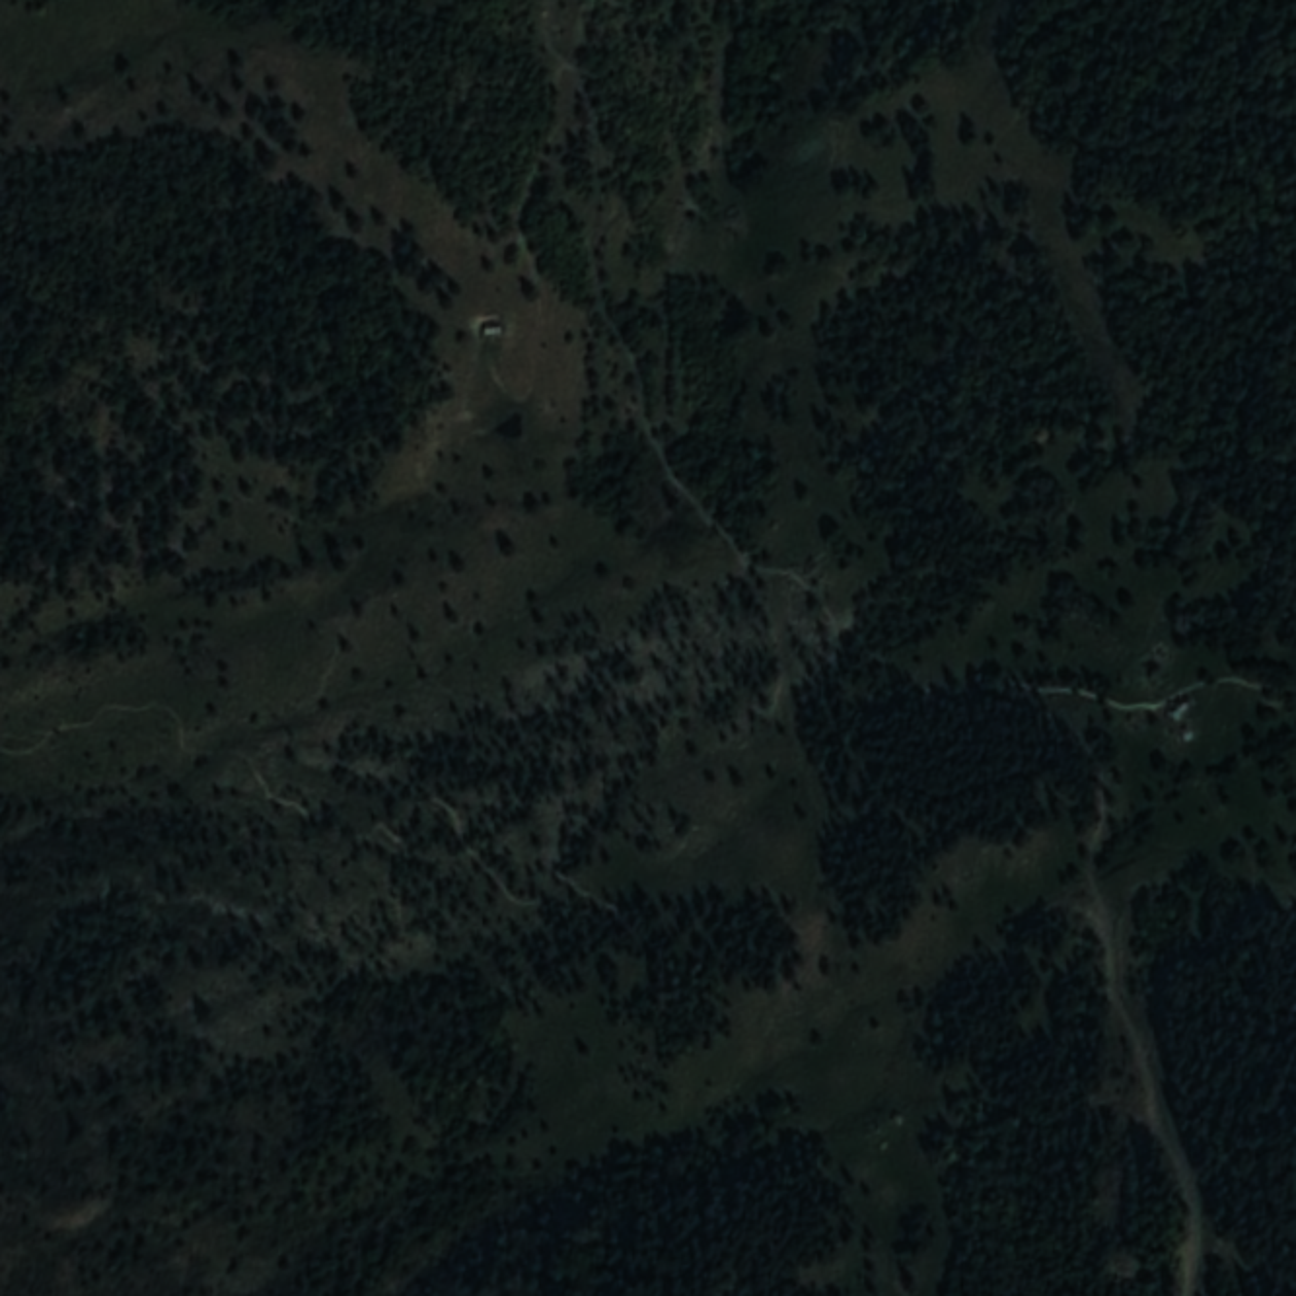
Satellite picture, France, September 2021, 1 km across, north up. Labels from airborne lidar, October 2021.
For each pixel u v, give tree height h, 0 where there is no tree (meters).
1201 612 10
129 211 11
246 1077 11
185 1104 7
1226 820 0
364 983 10
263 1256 0
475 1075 10
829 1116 0
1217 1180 19
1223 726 0
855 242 10
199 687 0
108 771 0
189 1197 11
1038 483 17
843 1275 0
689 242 0
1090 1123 10
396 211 0
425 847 7
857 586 0
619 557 0
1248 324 18
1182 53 11
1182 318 14
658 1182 9
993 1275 9
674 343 8
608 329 8
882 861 8
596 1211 8
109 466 10
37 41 0
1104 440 13
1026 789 16
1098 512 0
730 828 0
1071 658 0
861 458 13
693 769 0
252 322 12
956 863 0
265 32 0
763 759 0
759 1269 23
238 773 0
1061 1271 12
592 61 9
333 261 12
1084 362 16
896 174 0
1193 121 23
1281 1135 23
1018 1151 11
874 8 16
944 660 0
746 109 19
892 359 10
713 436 8
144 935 13
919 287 19
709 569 0
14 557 20
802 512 0
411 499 0
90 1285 10
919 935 0
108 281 10
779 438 0
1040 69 18
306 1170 10
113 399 17
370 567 0
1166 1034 22
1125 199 12
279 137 25
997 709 20
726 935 10
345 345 13
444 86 8
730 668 9
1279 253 16
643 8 14
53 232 10
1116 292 12
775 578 0
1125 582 0
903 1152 0
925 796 15
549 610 0
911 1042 0
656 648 0
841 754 14
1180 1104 23
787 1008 0
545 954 6
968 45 10
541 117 14
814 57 0
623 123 6
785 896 0
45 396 16
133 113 0
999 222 0
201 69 0
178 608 0
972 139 14
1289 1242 8
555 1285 8
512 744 15
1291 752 11
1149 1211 10
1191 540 16
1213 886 16
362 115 15
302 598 0
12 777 0
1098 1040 25
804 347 0
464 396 0
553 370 0
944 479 18
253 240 14
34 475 12
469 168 12
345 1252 11
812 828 0
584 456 7
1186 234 13
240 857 6
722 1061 0
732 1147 8
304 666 0
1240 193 18
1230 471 14
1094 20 17
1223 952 23
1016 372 11
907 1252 8
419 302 0
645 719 15
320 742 0
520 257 10
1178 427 12
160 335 8
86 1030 9
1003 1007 18
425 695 0
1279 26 19
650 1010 12
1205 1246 0
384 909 13
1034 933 13
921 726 17
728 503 10
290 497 8
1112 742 10
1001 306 15
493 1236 6
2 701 0
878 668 8
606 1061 0
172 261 9
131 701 0
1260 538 10
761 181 14
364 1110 10
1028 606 0
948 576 7
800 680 0
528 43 8
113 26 0
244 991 0
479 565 0
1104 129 16
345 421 15
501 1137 10
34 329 12
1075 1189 11
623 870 0
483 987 8
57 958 9
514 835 0
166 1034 8
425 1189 9
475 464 0
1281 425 19
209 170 9
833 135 0
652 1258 16
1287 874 0
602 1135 0
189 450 19
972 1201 10
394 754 7
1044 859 0
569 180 8
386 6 13
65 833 10
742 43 12
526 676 0
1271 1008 29
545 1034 0
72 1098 12
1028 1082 20
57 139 0
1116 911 0
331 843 0
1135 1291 11
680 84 10
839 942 0
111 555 7
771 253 0
